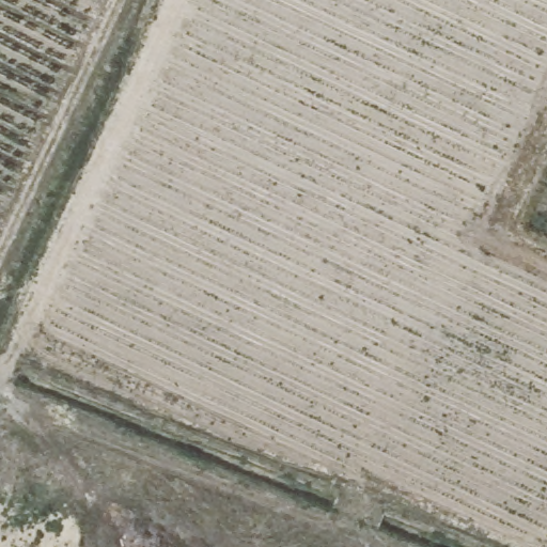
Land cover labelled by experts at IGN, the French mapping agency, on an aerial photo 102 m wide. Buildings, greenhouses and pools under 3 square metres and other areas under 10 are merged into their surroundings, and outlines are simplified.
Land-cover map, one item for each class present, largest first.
<instances>
[{"label":"vineyard","instance_id":"1","mask_svg":"<svg viewBox=\"0 0 547 547\"><path fill-rule=\"evenodd\" d=\"M126 0H0V267L4 265V259L26 218V212L30 209L38 192L47 165L51 162L66 132L71 113L81 100L88 79L94 73L100 51L111 36V30ZM547 169V0H162L158 9V19L150 26L143 47L135 56V66L130 75L122 79L113 111L107 118L94 143L90 160L85 162L81 177L75 184V192L71 194L47 241V250L38 263V271L32 280L24 282L34 293L32 301L26 308L34 312V318L41 325H45V329L58 340H64L79 350L94 353L111 365L124 368L130 374H141L154 385H162L171 393L184 395L194 404L207 406L209 410L224 415L226 425L216 423V427L212 429L214 436L231 438L237 444L259 449L269 457H278L299 468H310L323 474H340L357 483L365 481L361 468H368L372 474L391 481L400 489L415 494V506L436 515L440 521H447L457 528H479L489 538L511 547H547V231H543L541 235L528 233L523 229L526 216V205Z\"/></svg>","mask_w":547,"mask_h":547},{"label":"herbaceous vegetation","instance_id":"2","mask_svg":"<svg viewBox=\"0 0 547 547\"><path fill-rule=\"evenodd\" d=\"M162 0H126L111 30V36L100 51L94 73L88 79L81 100L71 113L66 132L51 162L47 165L38 192L30 209L26 212V218L4 259V265L0 267V547H419L415 543H406L382 532L380 523L385 519L415 534L444 532L447 538L459 541L464 547H511L489 538L479 528H457L447 521H440L436 515L415 506V494L400 489L391 481L372 474L368 468H361L365 481L357 483L340 474H323L310 468H299L278 457H269L259 449L237 444L231 438L214 436L212 429L216 427V423L226 425L224 415L209 410L207 406L194 404L184 395L171 393L162 385H154L141 374H130L124 368L111 365L94 353L79 350L64 340H58L45 329V325H41L34 318V312L26 308L32 301L34 293L24 282L32 280L38 271V263L47 250V241L71 194L75 192V184L81 177L85 162L90 160L94 143L107 118L113 111L122 79L130 75L135 66V56L143 47L150 26L158 19V9ZM15 376H28L34 385L56 389L64 395H73L81 402L118 412L167 438L201 447L205 453H212L239 468L269 476L284 485L316 491L318 496L329 498L333 506L340 509V515L325 513L316 506L303 509L288 496L271 489L246 487L239 483L235 474L226 470H209L203 462L182 457L179 453L169 451L152 440H143L135 434H124L120 427L100 417H94L83 410H73L64 404H56L45 395L13 387ZM547 212V169L526 205V216Z\"/></svg>","mask_w":547,"mask_h":547},{"label":"brushwood","instance_id":"3","mask_svg":"<svg viewBox=\"0 0 547 547\"><path fill-rule=\"evenodd\" d=\"M523 229L528 233L541 235L543 231H547V212L526 216ZM13 387L45 395L56 404H64L73 410H83L94 417H100L120 427L124 434H135L143 440H152L169 451L179 453L182 457L203 462L209 470H226L235 474L239 483L246 487L271 489L288 496L303 509L316 506L325 513L340 515V509L333 506L329 498L318 496L316 491L284 485L269 476L239 468L212 453H205L201 447L167 438L118 412L81 402L73 395H64L56 389L34 385L28 376H15ZM382 532L406 543H415L419 547H464L459 541L447 538L444 532L415 534L385 519L380 523Z\"/></svg>","mask_w":547,"mask_h":547}]
</instances>
